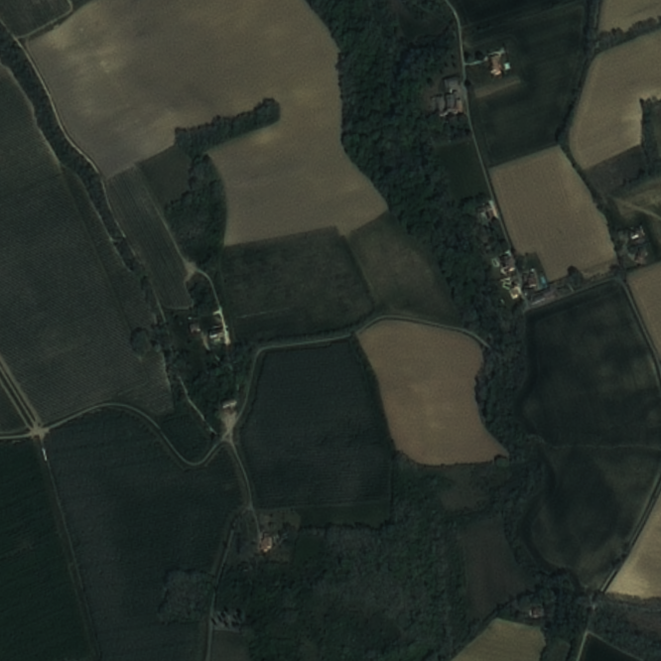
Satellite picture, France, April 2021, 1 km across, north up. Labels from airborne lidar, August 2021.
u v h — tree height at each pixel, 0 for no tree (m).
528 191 0
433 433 0
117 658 8
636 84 0
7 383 0
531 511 0
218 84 0
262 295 0
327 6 12
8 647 6
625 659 0
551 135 0
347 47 8
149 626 6
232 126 11
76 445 6
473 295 22
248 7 0
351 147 12
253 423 6
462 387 0
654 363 0
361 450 5
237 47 0
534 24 0
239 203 0
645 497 0
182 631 7
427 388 0
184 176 0
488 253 11
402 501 12
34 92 11
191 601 14
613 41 17
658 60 0
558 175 0
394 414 0
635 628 11
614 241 10
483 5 0
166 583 10
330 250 0
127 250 17
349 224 0
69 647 8
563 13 0
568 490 0
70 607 8
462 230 18
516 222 0
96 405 0
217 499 6
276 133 0
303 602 8
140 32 0
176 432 6
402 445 0
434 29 0
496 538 0
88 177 11
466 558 0
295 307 0
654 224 0
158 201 0
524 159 0
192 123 0
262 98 0
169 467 6
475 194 0
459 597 9
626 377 0
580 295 0
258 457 5
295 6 0
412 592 11
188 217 8
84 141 0
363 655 8
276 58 0
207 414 10
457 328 0
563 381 0
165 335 10
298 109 0
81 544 6
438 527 16
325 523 0
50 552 6
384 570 21
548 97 0
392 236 0
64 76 0
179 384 7
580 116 0
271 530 7
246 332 0
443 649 14
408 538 20
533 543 0
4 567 5
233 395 7
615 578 0
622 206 0
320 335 10
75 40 0
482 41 0
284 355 7
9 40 12
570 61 0
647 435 0
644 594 0
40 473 7
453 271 23
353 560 19
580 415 0
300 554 0
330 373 6
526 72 0
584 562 0
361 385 8
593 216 0
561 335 0
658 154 12
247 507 0
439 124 12
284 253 0
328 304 0
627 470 0
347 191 0
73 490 6
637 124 0
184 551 6
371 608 6
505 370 19
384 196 12
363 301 0
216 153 0
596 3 13
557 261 0
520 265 9
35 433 0
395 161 15
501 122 0
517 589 0
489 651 0
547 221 0
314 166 0
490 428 13
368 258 0
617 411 0
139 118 0
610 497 0
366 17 13
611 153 0
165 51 0
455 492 0
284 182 0
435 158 12
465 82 0
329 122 0
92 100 0
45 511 5
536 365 0
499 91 0
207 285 7
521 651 0
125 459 6
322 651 6
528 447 9
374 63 19
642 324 0
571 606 28
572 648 6
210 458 0
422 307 0
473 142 0
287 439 6
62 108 0
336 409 6
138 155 0
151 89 0
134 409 0
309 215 0
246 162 0
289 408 8
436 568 23
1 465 6
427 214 15
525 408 0
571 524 0
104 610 6
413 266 0
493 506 9
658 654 21
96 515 5
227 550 15
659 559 0
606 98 0
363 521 0
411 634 20
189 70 0
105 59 0
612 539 0
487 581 0
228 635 0
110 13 0
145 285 15
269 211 0
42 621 7
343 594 19
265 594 5
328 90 0
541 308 0
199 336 16
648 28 15
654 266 0
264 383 7
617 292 0
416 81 12
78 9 0
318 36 0
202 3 0
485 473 7
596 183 0
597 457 0
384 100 27
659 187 0
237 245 0
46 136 8
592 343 0
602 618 13
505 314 16
